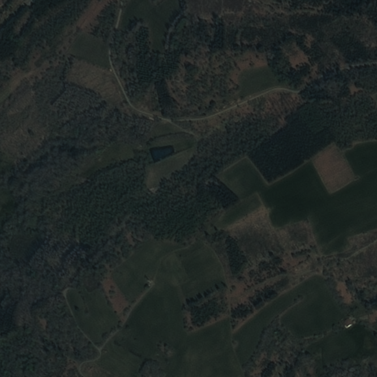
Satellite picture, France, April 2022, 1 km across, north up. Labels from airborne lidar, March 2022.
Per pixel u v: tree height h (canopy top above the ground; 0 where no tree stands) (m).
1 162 0
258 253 0
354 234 0
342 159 0
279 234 0
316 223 0
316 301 0
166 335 0
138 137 13
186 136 16
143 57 12
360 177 0
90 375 0
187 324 9
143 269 0
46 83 7
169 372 0
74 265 30
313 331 0
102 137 24
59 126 13
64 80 11
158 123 21
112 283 0
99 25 7
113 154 0
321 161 0
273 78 0
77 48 0
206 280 0
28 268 19
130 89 21
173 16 0
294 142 9
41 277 20
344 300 15
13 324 21
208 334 0
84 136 26
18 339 8
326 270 8
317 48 7
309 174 0
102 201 13
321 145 11
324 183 0
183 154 0
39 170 30
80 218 13
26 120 9
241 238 0
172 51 15
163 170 0
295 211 0
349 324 0
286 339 11
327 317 0
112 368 0
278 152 14
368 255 0
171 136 16
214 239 7
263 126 12
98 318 0
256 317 0
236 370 0
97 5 0
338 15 10
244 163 0
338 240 0
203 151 8
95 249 17
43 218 8
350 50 7
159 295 0
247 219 0
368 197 0
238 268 11
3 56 19
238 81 0
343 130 12
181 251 0
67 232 10
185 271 0
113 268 11
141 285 0
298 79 34
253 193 0
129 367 0
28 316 20
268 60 7
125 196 9
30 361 22
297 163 13
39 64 0
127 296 0
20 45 24
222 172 7
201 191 14
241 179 0
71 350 15
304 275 0
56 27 11
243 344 0
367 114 8
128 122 25
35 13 19
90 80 0
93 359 12
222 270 0
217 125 0
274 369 18
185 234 11
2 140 14
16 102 13
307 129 10
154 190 0
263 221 0
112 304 12
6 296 7
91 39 0
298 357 20
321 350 0
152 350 0
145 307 0
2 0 15
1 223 0
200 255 0
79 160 22
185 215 9
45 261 26
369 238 0
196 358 0
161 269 0
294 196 0
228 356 0
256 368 8
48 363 23
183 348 0
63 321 18
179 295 0
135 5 0
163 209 15
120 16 0
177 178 13
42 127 10
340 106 13
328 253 0
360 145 0
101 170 8
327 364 0
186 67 8
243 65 0
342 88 9
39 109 10
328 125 12
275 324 10
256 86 0
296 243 0
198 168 15
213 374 0
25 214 9
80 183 7
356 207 0
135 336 0
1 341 19
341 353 0
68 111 26
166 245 0
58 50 0
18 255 0
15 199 7
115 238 6
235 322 9
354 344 0
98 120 20
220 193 20
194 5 0
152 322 0
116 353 0
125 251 14
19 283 17
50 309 23
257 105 7
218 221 0
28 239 0
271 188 0
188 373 0
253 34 6
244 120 7
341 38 9
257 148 14
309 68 12
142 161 14
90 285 0
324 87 18
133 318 0
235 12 0
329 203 0
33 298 22
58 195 11
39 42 11
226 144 6
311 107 13
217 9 0
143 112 0
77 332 13
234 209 0
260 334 0
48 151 23
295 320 0
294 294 0
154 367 18
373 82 14
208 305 7
